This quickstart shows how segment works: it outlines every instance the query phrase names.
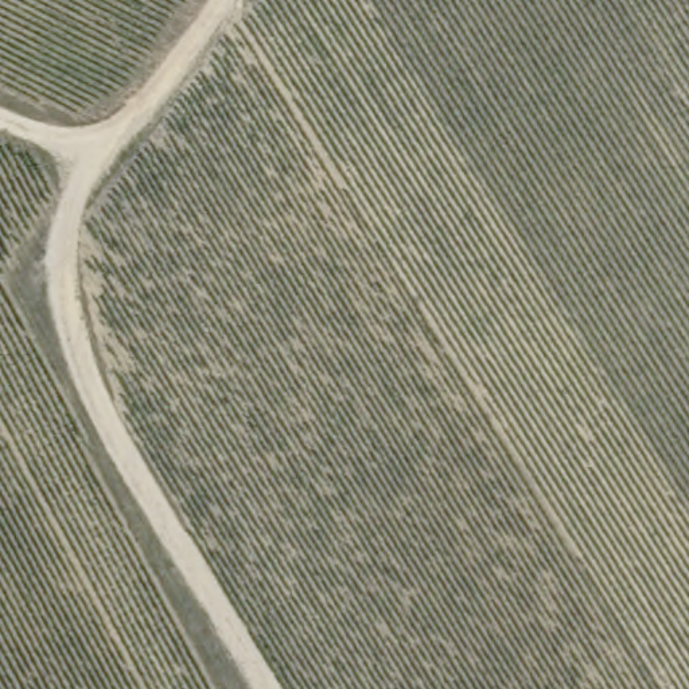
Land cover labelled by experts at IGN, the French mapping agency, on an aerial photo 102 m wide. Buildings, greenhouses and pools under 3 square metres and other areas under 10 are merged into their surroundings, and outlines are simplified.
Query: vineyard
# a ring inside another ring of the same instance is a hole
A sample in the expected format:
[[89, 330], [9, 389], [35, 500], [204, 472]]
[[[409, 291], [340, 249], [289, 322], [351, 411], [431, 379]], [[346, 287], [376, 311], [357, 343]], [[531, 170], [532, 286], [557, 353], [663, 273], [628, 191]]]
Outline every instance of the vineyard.
[[256, 649], [261, 651], [264, 662], [269, 665], [283, 689], [689, 689], [689, 0], [242, 0], [242, 19], [234, 22], [237, 38], [231, 40], [226, 35], [213, 35], [202, 46], [191, 67], [183, 73], [178, 89], [156, 108], [153, 118], [118, 151], [113, 164], [89, 191], [83, 205], [83, 229], [78, 231], [75, 245], [75, 293], [89, 347], [110, 404], [124, 417], [140, 458], [145, 460], [151, 476], [161, 487], [180, 528], [194, 541], [196, 552], [207, 563], [210, 573], [215, 576], [218, 587], [223, 589], [226, 600], [231, 603], [234, 614], [245, 624], [250, 641], [256, 643]]
[[48, 275], [43, 261], [51, 221], [62, 194], [57, 159], [46, 148], [0, 129], [0, 689], [250, 689], [229, 649], [218, 638], [207, 611], [188, 589], [178, 565], [161, 546], [148, 517], [143, 514], [137, 498], [118, 474], [113, 458], [108, 455], [62, 355], [62, 345], [48, 304]]
[[145, 81], [167, 57], [167, 51], [194, 24], [207, 0], [0, 0], [0, 108], [57, 126], [92, 126], [113, 118], [137, 89], [145, 86]]

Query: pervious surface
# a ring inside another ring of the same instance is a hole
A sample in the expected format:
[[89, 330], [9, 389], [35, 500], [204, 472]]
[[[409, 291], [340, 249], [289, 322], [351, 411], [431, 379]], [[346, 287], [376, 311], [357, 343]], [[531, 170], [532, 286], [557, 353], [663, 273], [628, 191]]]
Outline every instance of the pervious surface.
[[78, 231], [83, 229], [83, 205], [89, 191], [113, 164], [118, 151], [153, 118], [156, 108], [178, 89], [183, 73], [191, 67], [202, 46], [213, 35], [226, 35], [231, 40], [237, 38], [234, 22], [242, 19], [242, 0], [207, 0], [194, 24], [167, 51], [167, 57], [145, 81], [145, 86], [137, 89], [113, 118], [92, 126], [57, 126], [0, 108], [0, 129], [46, 148], [57, 159], [62, 194], [51, 221], [43, 261], [48, 275], [48, 304], [62, 345], [62, 355], [108, 455], [113, 458], [118, 474], [137, 498], [143, 514], [148, 517], [161, 546], [178, 565], [188, 589], [207, 611], [218, 638], [229, 649], [250, 689], [283, 689], [269, 665], [264, 662], [261, 651], [256, 649], [256, 643], [250, 641], [245, 624], [234, 614], [231, 603], [226, 600], [223, 589], [218, 587], [215, 576], [210, 573], [207, 563], [196, 552], [194, 541], [180, 528], [161, 487], [151, 476], [145, 460], [140, 458], [124, 417], [110, 404], [89, 347], [75, 293], [75, 245]]

